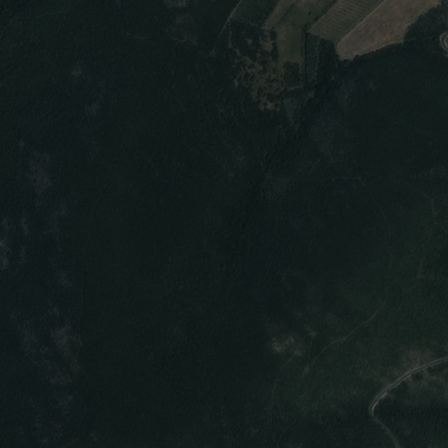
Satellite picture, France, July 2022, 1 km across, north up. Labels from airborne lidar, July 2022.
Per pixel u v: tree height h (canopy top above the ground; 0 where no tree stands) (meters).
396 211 6
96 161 6
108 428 7
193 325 14
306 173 5
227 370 6
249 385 8
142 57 7
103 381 7
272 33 6
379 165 5
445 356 6
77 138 6
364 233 6
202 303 12
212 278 9
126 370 12
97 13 9
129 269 7
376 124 6
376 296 7
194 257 15
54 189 6
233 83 9
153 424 8
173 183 10
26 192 7
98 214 6
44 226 6
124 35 9
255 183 11
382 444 7
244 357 7
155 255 8
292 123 13
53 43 6
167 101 6
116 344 7
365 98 7
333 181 6
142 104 6
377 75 6
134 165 8
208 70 7
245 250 12
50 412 7
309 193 6
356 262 6
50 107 8
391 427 9
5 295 6
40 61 6
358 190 5
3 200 7
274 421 8
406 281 6
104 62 7
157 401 8
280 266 6
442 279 9
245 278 8
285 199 7
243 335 7
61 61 7
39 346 6
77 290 6
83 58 7
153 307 8
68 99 7
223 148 8
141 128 6
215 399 6
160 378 7
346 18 0
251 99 9
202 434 7
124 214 6
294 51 0
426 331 6
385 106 6
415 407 6
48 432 6
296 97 11
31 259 6
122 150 6
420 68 7
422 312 6
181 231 7
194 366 10
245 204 13
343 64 14
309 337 7
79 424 6
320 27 0
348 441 7
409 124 7
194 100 7
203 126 7
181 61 6
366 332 7
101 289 7
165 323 8
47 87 6
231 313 8
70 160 6
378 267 6
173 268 10
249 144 7
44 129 6
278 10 0
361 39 0
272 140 8
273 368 6
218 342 7
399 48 8
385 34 0
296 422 8
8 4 14
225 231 16
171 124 9
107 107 6
